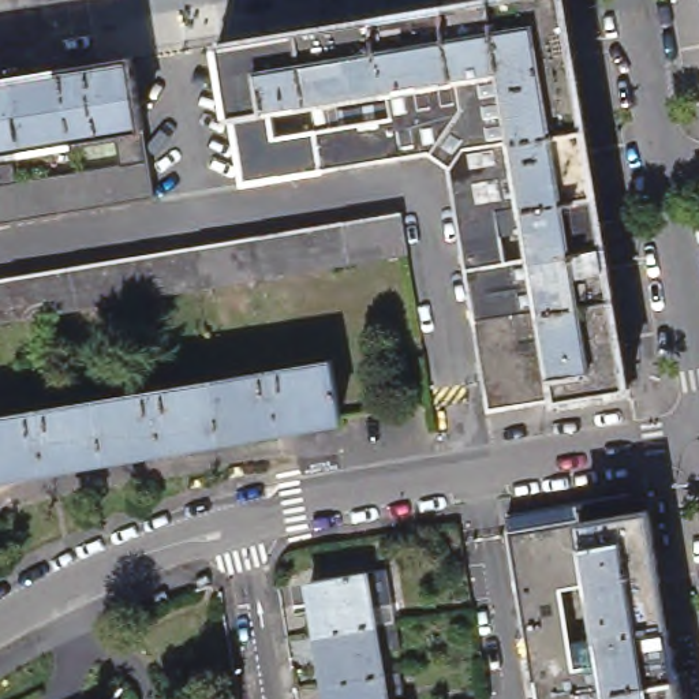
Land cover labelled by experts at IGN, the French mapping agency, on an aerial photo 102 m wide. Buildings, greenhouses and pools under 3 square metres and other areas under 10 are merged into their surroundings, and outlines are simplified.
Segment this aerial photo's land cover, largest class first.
<instances>
[{"label":"impervious surface","instance_id":"1","mask_svg":"<svg viewBox=\"0 0 699 699\"><path fill-rule=\"evenodd\" d=\"M461 0H0V79L38 71L71 74L106 66L123 68L128 74L126 85L131 128L98 137H79L71 139L68 147L85 150V158L79 167H74V175L41 177L25 186L11 183L0 188V279L183 246L218 243L248 235L284 232L330 221L369 218L382 213H399L401 218L404 257L410 259L412 287L418 289V317L420 330L426 333L431 388L434 412L440 423L437 431L426 429V407H418L412 420L404 426H382L374 418L363 420L358 412L347 415L344 429H339L336 423L330 429L306 434H279L216 451L167 456L156 459L150 467L142 461L117 464L104 470L25 481L0 491V508L11 505L25 511L33 502L49 500V489H57L66 497L74 491L106 494L109 486L128 483L131 478L164 489L161 505L150 511L147 519L112 516L104 527L76 532L27 557L14 568L11 576L0 579V677L16 672L41 653H52V677L46 683L44 699H153L147 674L150 664L137 655L112 658L98 647L93 636L96 617L101 606L106 612L112 609H156L167 601L191 593L210 595V623H205L202 631L188 642L167 647L161 661V674H167V680L177 683L180 688L197 680L202 672L229 677L232 699H319V694L314 691V666L303 664L295 653V642L309 636L303 584L314 582L311 571L295 573L281 590L270 579L273 562L289 543L309 541L317 535L380 527L399 522L404 516H415L420 511H434L459 513L464 530H478V538L467 541L470 576H464L467 601H478V633L483 636L481 647V661L491 669L489 699H527L516 655V625H522V617L511 562L508 513L522 516L571 505L579 508L582 522L631 516L647 522L658 603L666 625V639L661 644L672 653V664L677 672V699H699V232L674 224L664 227L653 240H636L623 224V208L631 197H639L644 205L655 208L664 205L669 191L685 188L699 194V0H562L628 399L620 404L587 407L576 415L554 418L546 410H524L516 415H483L481 393L470 390L478 374L472 371L470 328L464 319V303L456 300V287L451 284V273L459 270V262H464V246L459 235V216L456 210H448L442 172L434 169L429 161H410L358 175H330L251 191L238 188L232 177H221L210 169L213 161L232 164L227 134L213 131L216 112L202 109L199 104L202 98L213 96L208 52L216 49L218 41H240L254 35L431 8ZM672 96L696 101L694 123L677 126L669 120L666 101ZM213 459H218L221 464L238 459H265L270 470H232L227 481L205 491L202 481H194L188 486L186 475L210 470ZM388 699H418V691L410 683V677L393 672L388 628L377 631Z\"/></svg>","mask_w":699,"mask_h":699},{"label":"building","instance_id":"2","mask_svg":"<svg viewBox=\"0 0 699 699\"><path fill-rule=\"evenodd\" d=\"M213 96L202 98L199 104L202 109L216 112L213 131L227 134L232 164L213 161L210 169L221 177H232L238 188L251 191L330 175H358L410 161H429L434 169L442 172L448 210H456L459 216V235L464 246V262H459V270L451 273V284L456 287V300L464 303V319L470 328L472 371L478 374L470 390L481 393L483 415H516L524 410H546L554 418L576 415L587 407L620 404L628 399L562 0H461L431 8L254 35L240 41H218L216 49L208 52ZM128 74L123 68L106 66L71 74L38 71L0 79V164L55 158L57 164H63L68 161V147L71 139L79 137H98L131 128L126 85ZM401 218L399 213H382L369 218L330 221L284 232L248 235L218 243L183 246L0 279V328L33 322L38 309L44 314H55L57 319H63L66 314H82L85 319H106L115 311H131L147 322L167 317L175 309V295H205L232 284L254 287L257 281L319 276L322 270H333L341 265H374L385 259L396 262L404 257ZM336 423L333 380L325 363L0 418V491L25 481L104 470L117 464L142 461L150 467L156 459L167 456L216 451L279 434H306L330 429ZM511 562L522 617V625H516V655L527 699H677V672L672 664V653L661 644L666 639V625L658 603L647 522L631 516L582 522L579 508L571 505L522 516L508 513ZM309 636L295 642V653L303 664L314 666V691L319 694V699H388L377 631L388 628L396 625V614L404 609V593L393 590L390 568L371 571L369 576L358 573L344 579L314 582L303 584Z\"/></svg>","mask_w":699,"mask_h":699},{"label":"herbaceous vegetation","instance_id":"3","mask_svg":"<svg viewBox=\"0 0 699 699\"><path fill-rule=\"evenodd\" d=\"M418 289L412 287L410 259L404 257L396 262L385 259L374 265H341L333 270H322L319 276L257 281L254 287L232 284L205 295H175V309L167 317L147 322L156 336L153 347L169 350L175 360L156 363L142 382L126 385L93 380L85 371V366H79L71 377V385L55 388L44 382V377L35 369L16 371L5 366L25 339H33V322L0 328V418L325 363L333 380L336 423L339 429H344L347 415L358 412L360 404L352 399L363 388L352 380L350 344L363 336V325L393 339V350L399 352L401 363L396 369V377L407 388H431L426 333L420 330L418 317ZM232 470H270L265 459H238L221 464L218 459H213L210 470L186 475L188 486L194 481H202L205 491L227 481ZM66 497L57 489H49V500L33 502L25 511L30 513V538L25 543L27 557L76 532L63 505ZM295 573L311 571L314 582L344 579L358 573L369 576L371 571L390 568L393 590L404 593V609H426L467 601L464 576L459 573L448 590L437 595H423L420 579L429 571H437L442 562L429 557L418 546H404L401 541H382L374 535L369 538V546L358 549L317 557L309 554V549L295 552ZM210 595L191 593L167 601L156 609L158 620L145 633L126 628L112 609L106 612L101 606L96 617L93 636L98 647L112 658L137 655L150 664L161 661L167 647L188 642L202 631L205 623H210ZM453 625L445 620V614L396 620V625L388 628L393 672L410 677V683L418 691V699H434L431 688L437 683H448L453 694H467L470 666L481 661V647H451L445 636ZM52 677V653H41L16 672L0 677V699H44L46 683Z\"/></svg>","mask_w":699,"mask_h":699},{"label":"deciduous trees","instance_id":"4","mask_svg":"<svg viewBox=\"0 0 699 699\"><path fill-rule=\"evenodd\" d=\"M669 120L677 126L694 123L696 101L672 96L666 101ZM623 224L636 240H653L664 227L674 224L699 232V194L685 188L669 191L664 205L655 208L644 205L639 197H631L623 208ZM156 336L147 322L131 311H115L106 319H85L82 314H66L63 319H57L55 314H44L38 309L33 322V339H25L5 366L16 371L35 369L44 377V382L55 388L71 385V377L79 366H85V371L93 380L126 385L142 382L156 363L175 360L169 350L153 347ZM352 380L363 388L352 399L360 404L358 412L363 420L374 418L382 426H404L412 420L418 407H426V429L437 431L440 423L434 412L431 388H407L396 377V369L401 363L399 352L393 350V339L363 325V336L350 344ZM126 628L145 633L158 620L156 609H112ZM147 674L153 699H232L229 677L202 672L197 680L180 688L177 683L167 680V674H161V661L150 664Z\"/></svg>","mask_w":699,"mask_h":699},{"label":"brushwood","instance_id":"5","mask_svg":"<svg viewBox=\"0 0 699 699\"><path fill-rule=\"evenodd\" d=\"M85 158V150L68 147V161L63 164H57L55 158L0 164V188L11 183L25 186L41 177L74 175V167H79ZM164 489L131 478L128 483L109 486L106 494L74 491L66 497L63 505L76 532L104 527L112 516L147 519L150 511L161 505ZM30 538V513L25 511L11 505L0 508V579L11 576L14 568L27 557L25 543ZM374 535L382 541H401L404 546H418L429 557L442 562L437 571H429L420 579L423 595H437L448 590L459 573L464 576H470L467 541L478 538V530H464L459 513L434 511H420L415 516H404L399 522L380 527L317 535L309 541L289 543L273 562L270 579L281 590L295 573V552L309 549V554L317 557L358 549L369 546V538ZM445 614V620L453 625L445 636L451 647H481L483 636L478 633V601H467L426 609H404L396 614V620ZM434 699H489L491 669L481 661L470 666L467 694H453L448 683H437L431 688Z\"/></svg>","mask_w":699,"mask_h":699}]
</instances>
